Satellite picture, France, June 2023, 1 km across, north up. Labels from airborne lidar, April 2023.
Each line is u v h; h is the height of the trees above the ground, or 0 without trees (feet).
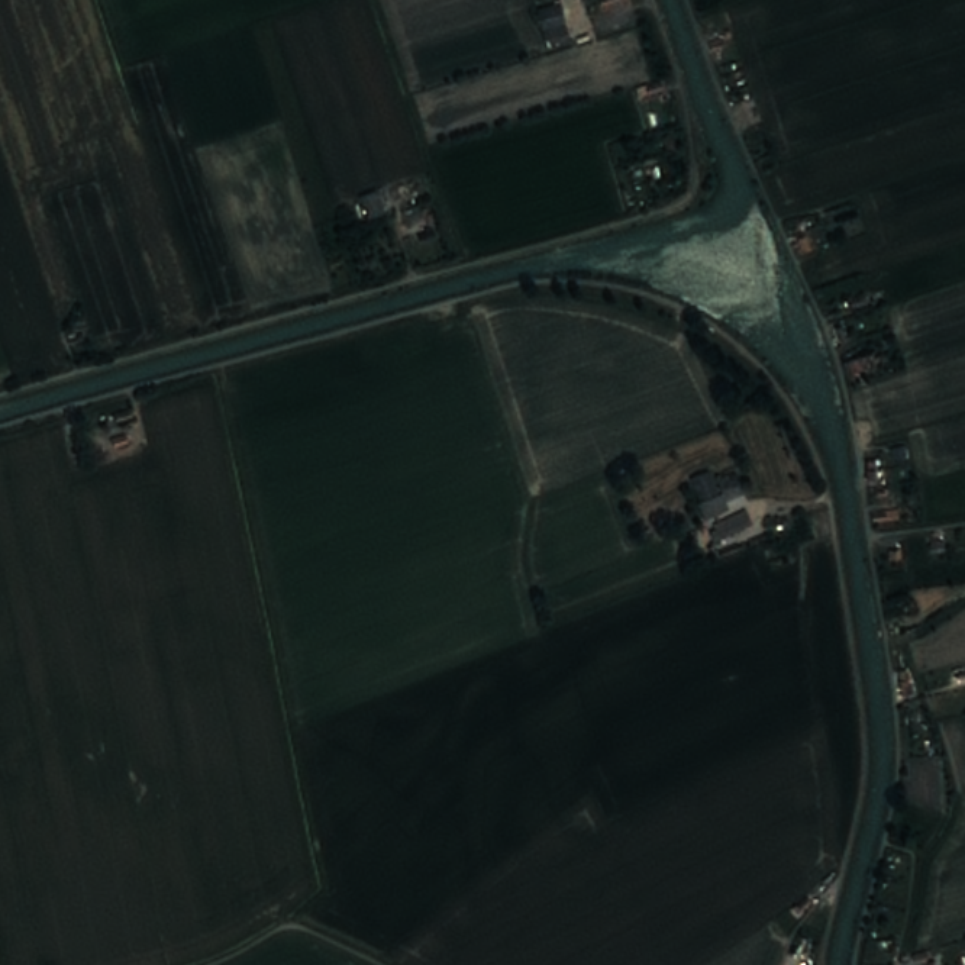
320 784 0
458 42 0
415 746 0
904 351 0
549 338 0
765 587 0
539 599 66
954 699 0
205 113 0
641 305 62
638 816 0
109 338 0
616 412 0
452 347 0
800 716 0
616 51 0
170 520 0
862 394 0
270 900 0
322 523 0
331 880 0
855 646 0
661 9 0
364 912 0
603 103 0
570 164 0
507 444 0
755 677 0
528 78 0
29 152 0
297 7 0
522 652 0
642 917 0
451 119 0
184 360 0
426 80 0
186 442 0
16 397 0
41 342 0
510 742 0
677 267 0
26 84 0
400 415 0
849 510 0
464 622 0
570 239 0
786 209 0
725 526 0
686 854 0
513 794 0
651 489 0
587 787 0
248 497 0
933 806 0
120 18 0
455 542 0
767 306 0
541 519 0
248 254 0
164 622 0
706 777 0
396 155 0
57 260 0
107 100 0
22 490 0
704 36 0
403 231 0
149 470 0
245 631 0
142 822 0
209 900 0
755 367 0
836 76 0
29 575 0
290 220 0
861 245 0
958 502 0
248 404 0
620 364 0
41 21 0
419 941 0
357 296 0
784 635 0
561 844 0
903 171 0
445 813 0
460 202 0
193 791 0
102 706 0
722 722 0
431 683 0
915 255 0
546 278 0
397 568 0
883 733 0
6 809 0
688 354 0
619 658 0
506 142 0
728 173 0
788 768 0
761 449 0
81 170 0
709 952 0
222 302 0
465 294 0
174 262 0
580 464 0
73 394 0
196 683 0
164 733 0
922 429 0
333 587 0
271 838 0
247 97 0
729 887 0
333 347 0
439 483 0
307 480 0
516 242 0
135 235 0
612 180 0
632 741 0
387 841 0
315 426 0
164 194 0
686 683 0
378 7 0
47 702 0
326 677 0
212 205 0
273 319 0
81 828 0
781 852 0
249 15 0
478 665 0
